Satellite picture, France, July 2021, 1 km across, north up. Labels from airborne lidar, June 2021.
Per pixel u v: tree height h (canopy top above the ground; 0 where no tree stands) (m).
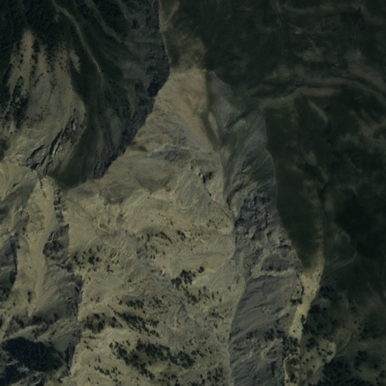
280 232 0
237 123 0
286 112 0
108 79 0
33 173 0
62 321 0
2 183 0
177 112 0
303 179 0
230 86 0
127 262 0
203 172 0
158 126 0
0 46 10
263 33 0
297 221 0
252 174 0
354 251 0
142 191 0
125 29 0
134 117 0
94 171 0
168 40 0
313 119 0
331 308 0
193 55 0
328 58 0
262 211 0
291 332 0
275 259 0
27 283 0
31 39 0
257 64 0
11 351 6
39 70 0
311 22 0
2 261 0
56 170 0
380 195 0
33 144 0
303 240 0
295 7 0
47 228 0
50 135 0
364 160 0
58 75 0
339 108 0
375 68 0
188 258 0
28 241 0
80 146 0
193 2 0
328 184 0
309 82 0
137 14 0
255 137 0
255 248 0
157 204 0
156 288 0
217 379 14
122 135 0
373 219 0
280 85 0
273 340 7
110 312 0
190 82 0
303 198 0
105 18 10
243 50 0
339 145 0
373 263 0
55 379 0
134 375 0
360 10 0
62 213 0
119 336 0
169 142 0
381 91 0
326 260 0
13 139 0
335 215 0
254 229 0
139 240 0
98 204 0
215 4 0
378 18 0
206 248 0
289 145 0
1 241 0
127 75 0
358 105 0
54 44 6
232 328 0
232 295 0
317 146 0
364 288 0
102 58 0
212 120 0
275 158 0
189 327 0
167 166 0
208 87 0
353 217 0
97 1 16
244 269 0
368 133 0
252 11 0
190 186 0
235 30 0
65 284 0
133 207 0
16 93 7
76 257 8
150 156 0
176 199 0
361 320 0
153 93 0
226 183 0
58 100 0
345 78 0
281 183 0
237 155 0
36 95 0
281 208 0
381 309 0
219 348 0
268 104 0
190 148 0
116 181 0
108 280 0
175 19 0
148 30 0
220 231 0
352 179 0
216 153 0
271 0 0
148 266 0
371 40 0
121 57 0
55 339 0
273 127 0
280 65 0
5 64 6
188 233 0
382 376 11
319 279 0
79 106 0
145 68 0
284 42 0
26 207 0
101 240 0
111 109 0
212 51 0
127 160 0
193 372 0
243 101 0
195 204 0
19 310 0
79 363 0
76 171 0
